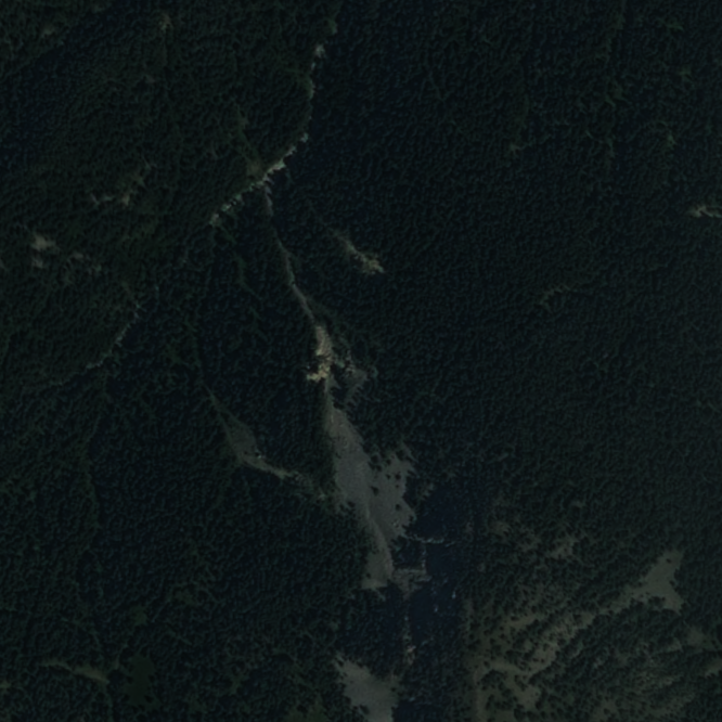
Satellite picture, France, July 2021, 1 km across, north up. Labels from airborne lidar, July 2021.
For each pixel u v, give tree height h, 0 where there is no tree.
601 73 29
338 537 18
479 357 20
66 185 28
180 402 20
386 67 25
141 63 18
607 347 26
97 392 31
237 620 21
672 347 21
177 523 22
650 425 26
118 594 23
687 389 10
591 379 25
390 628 16
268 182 0
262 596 16
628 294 23
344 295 13
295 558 13
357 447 0
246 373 20
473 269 21
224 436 34
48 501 26
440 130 23
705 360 22
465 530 8
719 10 27
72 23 20
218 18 27
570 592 12
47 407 23
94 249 24
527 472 12
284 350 26
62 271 17
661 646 20
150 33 20
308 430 27
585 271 12
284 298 19
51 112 27
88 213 11
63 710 23
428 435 16
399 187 13
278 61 19
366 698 0
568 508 28
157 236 13
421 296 8
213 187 27
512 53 21
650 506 25
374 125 26
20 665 25
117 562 21
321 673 23
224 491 8
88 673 0
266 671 12
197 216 21
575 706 7
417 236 21
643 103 25
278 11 16
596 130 26
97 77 9
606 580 24
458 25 10
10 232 21
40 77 31
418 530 8
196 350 9
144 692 0
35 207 29
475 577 13
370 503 0
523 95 8
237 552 20
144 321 13
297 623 25
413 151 24
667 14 29
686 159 32
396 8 25
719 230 20
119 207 20
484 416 8
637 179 22
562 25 27
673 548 18
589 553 23
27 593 23
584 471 17
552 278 18
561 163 23
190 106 20
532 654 13
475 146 23
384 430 15
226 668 26
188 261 10
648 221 28
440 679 7
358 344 6
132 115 25
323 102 14
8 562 28
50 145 15
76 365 14
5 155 36
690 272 27
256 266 33
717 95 25
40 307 11
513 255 17
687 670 13
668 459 24
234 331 33
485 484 15
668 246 19
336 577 20
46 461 6
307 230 34
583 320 26
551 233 17
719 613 25
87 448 10
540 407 23
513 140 17
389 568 0
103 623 24
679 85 34
